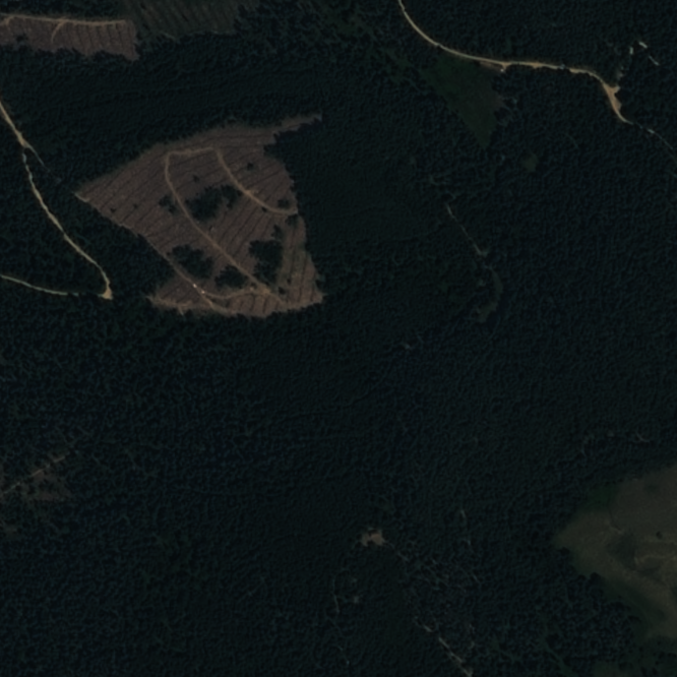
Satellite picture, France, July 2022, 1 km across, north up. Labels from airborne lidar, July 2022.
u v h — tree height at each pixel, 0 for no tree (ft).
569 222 76
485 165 67
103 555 64
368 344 48
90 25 0
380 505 19
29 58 42
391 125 61
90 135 50
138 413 61
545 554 59
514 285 76
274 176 0
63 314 84
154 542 73
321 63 39
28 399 67
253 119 66
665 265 73
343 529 39
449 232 43
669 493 0
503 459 72
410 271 26
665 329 65
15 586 67
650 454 65
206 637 52
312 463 43
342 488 43
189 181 0
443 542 73
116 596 75
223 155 0
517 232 19
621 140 78
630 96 110
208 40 49
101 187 0
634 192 72
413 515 73
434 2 32
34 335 53
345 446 45
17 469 49
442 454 69
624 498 0
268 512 37
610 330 83
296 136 57
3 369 62
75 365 57
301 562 39
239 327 30
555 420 90
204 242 0
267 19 24
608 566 0
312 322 43
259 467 31
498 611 81
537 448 84
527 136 72
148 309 50
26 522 24
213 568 51
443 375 66
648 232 55
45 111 43
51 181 73
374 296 51
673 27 89
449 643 82
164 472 52
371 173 54
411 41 57
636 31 48
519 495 63
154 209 0
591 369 73
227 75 55
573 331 73
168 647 23
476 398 67
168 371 35
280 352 47
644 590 0
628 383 71
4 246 86
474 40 48
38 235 25
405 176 65
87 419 78
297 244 0
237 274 42
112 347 28
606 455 59
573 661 83
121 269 53
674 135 79
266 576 49
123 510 78
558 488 75
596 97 79
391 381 43
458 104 0
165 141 78
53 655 88
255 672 36
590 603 64
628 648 59
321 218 54
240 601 68
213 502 63
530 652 56
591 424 62
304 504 36
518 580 61
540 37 82
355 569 47
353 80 50
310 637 84
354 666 60
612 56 56
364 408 44
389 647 68
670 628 0
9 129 48
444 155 94
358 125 70
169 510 70
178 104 65
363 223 50
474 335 80
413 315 52
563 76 65
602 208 88
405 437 64
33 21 0
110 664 100
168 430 59
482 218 33
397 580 54
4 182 57
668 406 74
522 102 75
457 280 32
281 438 29
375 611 70
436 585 76
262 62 38
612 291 66
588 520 0
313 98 66
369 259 26
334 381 44
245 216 0
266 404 41
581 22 71
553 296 81
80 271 80
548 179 82
